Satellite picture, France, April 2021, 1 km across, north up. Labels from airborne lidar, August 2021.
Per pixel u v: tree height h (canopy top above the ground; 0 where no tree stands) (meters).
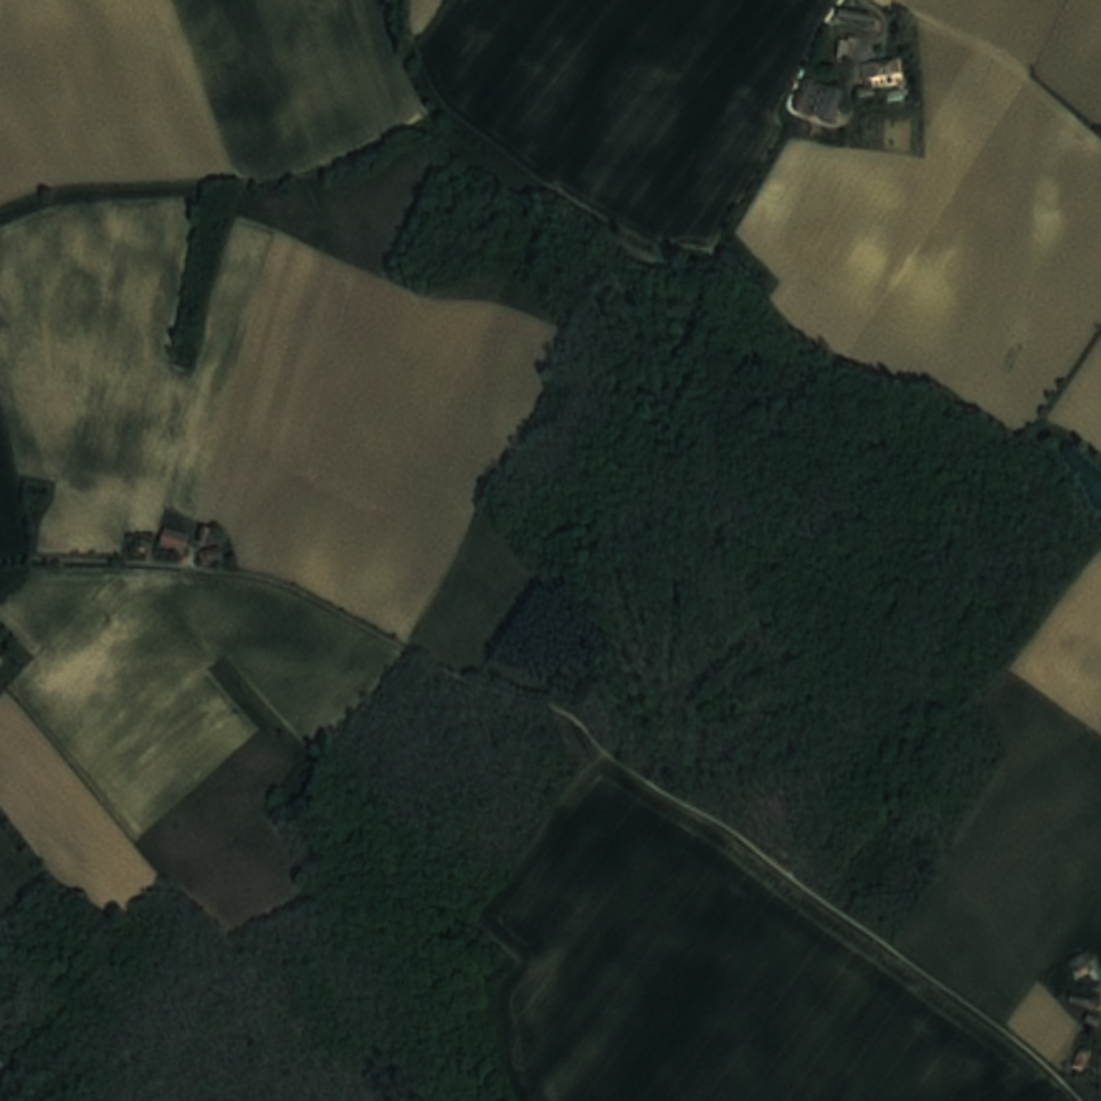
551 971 0
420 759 17
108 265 0
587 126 0
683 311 20
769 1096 0
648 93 0
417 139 15
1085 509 8
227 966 17
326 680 0
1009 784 0
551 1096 0
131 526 0
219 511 0
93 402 0
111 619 0
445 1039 18
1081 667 0
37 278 0
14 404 0
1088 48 0
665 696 18
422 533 0
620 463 26
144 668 0
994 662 17
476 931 12
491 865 19
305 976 18
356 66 0
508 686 19
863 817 19
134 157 0
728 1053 0
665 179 0
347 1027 18
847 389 25
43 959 20
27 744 0
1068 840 0
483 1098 22
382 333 0
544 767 17
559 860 0
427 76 0
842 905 8
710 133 0
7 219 0
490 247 19
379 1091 20
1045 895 0
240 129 0
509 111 0
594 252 25
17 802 0
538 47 0
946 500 25
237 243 0
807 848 15
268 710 0
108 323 0
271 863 0
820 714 16
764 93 0
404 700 15
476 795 17
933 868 20
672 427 25
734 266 14
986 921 0
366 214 0
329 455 0
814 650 18
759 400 19
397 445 0
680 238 0
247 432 0
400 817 25
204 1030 16
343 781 23
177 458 0
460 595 0
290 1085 14
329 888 22
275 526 0
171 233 0
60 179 0
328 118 0
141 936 15
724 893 0
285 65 0
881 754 19
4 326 0
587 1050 0
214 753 0
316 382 0
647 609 21
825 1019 0
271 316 0
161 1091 20
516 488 19
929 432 25
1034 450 17
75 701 0
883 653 21
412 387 0
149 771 0
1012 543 25
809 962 0
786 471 22
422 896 29
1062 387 8
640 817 0
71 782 0
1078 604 0
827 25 7
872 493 22
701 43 0
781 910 0
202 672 0
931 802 18
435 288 11
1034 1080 0
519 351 0
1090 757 0
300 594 0
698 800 16
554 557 18
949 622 23
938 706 15
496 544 0
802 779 16
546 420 7
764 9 0
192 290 8
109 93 0
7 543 0
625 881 0
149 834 0
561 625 16
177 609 0
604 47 0
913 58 7
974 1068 0
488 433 0
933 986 0
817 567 22
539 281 13
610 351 19
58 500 0
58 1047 11
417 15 0
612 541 16
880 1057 0
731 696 14
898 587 22
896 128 0
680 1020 0
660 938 0
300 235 0
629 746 14
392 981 24
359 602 0
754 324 20
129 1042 18
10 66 0
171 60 0
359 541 0
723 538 20
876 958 0
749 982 0
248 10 0
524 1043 0
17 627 0
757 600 21
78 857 0
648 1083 0
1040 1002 0
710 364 19
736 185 0
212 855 0
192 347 7
